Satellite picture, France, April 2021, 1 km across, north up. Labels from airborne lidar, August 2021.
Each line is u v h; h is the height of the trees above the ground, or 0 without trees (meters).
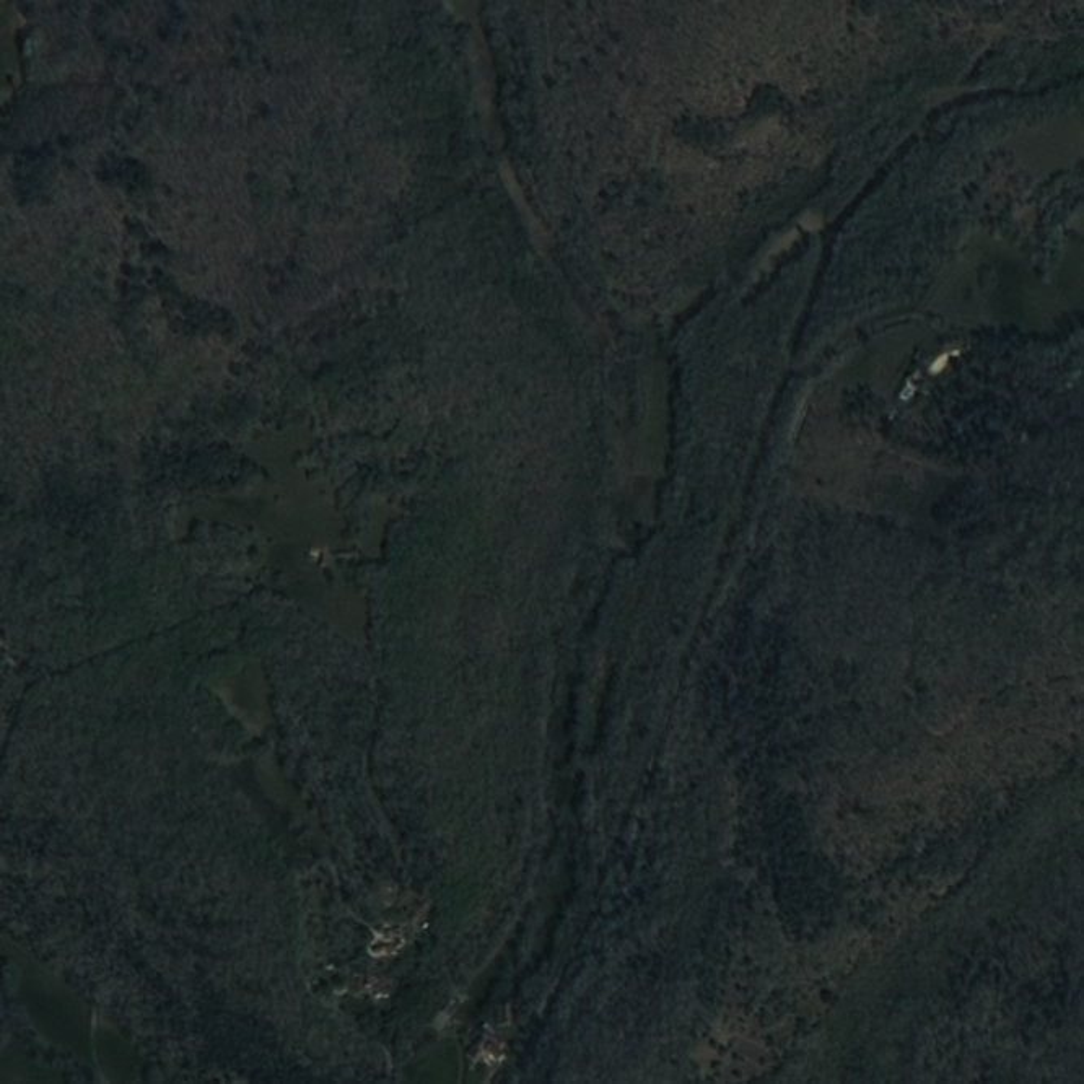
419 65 23
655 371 0
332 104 16
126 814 14
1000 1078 10
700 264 15
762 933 12
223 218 15
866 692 11
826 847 11
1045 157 0
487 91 0
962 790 10
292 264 16
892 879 18
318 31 12
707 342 17
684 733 8
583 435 14
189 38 15
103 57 13
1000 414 21
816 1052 11
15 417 17
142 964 6
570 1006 11
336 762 15
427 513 14
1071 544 18
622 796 7
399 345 9
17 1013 16
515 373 14
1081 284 0
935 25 13
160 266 20
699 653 10
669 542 12
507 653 13
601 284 14
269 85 27
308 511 0
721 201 8
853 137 22
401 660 13
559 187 12
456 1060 0
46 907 11
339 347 11
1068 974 16
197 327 26
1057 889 13
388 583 22
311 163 16
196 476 21
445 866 8
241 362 15
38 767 15
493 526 14
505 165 12
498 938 16
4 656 8
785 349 8
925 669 16
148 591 24
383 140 13
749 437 8
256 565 14
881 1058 19
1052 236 15
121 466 13
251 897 17
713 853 10
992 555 19
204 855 17
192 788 17
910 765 13
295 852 0
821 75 13
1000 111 19
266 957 14
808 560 16
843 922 8
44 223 13
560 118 8
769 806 12
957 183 12
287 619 16
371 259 17
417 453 11
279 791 0
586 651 21
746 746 9
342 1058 10
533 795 16
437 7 14
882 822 13
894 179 20
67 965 19
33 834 16
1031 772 12
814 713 16
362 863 10
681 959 12
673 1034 13
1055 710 12
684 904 11
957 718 16
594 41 7
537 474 9
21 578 14
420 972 13
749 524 12
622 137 11
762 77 8
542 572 15
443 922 17
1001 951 9
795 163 11
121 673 15
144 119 17
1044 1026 10
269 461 0
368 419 13
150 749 14
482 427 14
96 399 21
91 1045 0
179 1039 8
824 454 0
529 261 21
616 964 14
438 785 14
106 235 12
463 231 19
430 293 20
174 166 13
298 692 15
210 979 13
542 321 21
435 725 14
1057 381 19
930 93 16
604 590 19
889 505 0
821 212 19
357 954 6
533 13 8
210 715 18
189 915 10
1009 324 0
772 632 13
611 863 7
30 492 16
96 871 15
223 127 16
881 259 19
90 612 14
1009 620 23
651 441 0
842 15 12
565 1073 8
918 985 17
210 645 20
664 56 13
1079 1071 17
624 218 14
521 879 10
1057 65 17
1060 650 21
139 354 21
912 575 17
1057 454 21
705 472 14
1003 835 17
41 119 11
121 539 19
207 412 18
